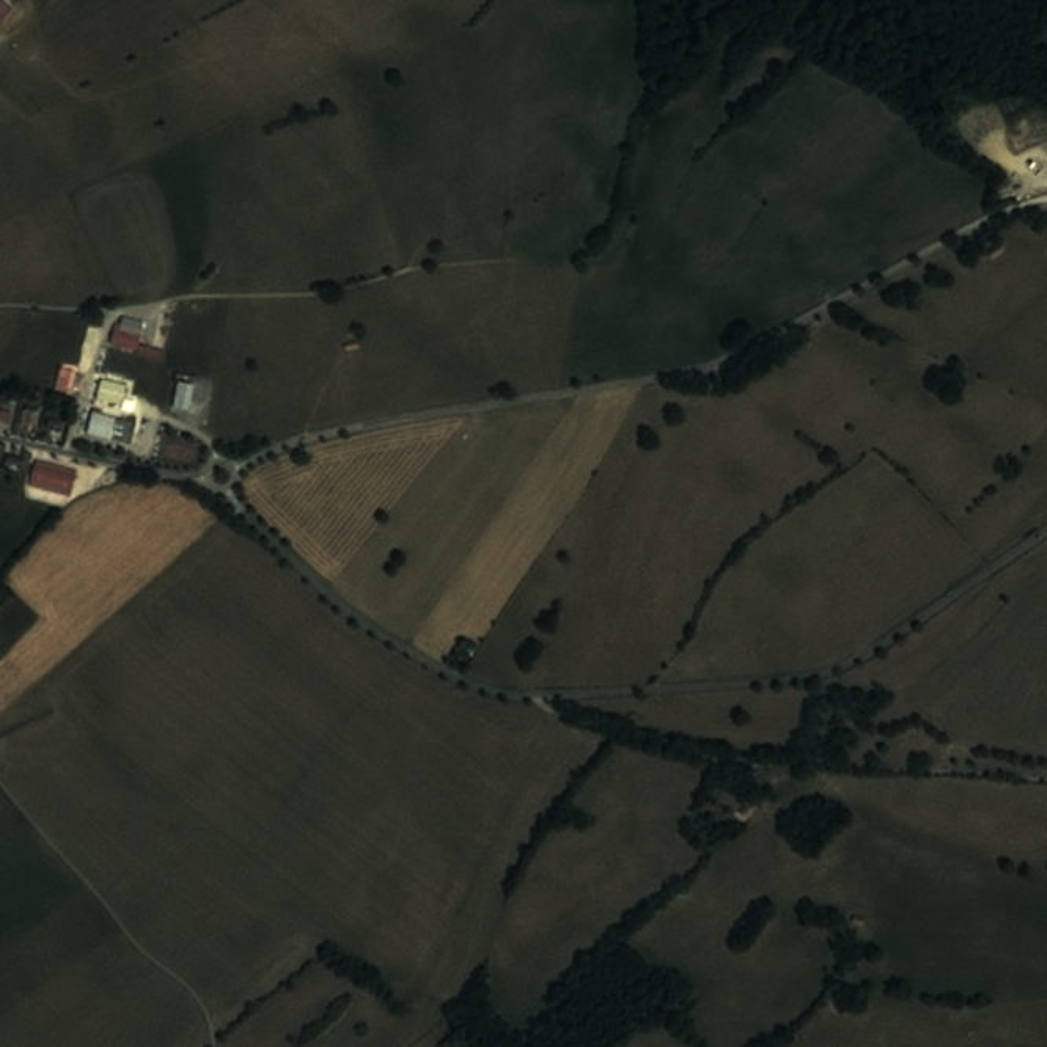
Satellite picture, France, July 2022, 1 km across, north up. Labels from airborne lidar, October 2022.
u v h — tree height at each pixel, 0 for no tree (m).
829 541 0
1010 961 0
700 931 0
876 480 0
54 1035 0
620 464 0
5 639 0
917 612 0
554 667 0
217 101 0
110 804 0
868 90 13
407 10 0
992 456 0
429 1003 0
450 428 0
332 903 0
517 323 0
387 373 0
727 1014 0
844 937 22
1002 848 0
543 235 0
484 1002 20
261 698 0
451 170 0
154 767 0
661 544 0
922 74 13
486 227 0
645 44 13
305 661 0
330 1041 0
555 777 0
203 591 0
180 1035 0
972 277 0
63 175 0
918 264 16
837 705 19
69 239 0
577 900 0
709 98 0
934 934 0
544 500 0
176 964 0
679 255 0
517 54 0
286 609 0
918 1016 0
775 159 0
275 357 0
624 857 0
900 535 0
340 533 0
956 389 21
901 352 0
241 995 0
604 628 0
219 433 0
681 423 8
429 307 0
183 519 0
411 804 0
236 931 0
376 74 0
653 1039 0
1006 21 15
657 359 0
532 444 0
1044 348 0
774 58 0
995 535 0
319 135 0
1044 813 0
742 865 0
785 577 0
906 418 0
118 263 0
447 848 0
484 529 0
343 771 0
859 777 14
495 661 0
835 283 0
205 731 0
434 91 0
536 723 0
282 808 0
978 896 0
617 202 8
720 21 27
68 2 0
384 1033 0
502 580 0
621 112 0
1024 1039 0
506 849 0
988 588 0
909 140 0
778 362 22
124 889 0
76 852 0
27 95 0
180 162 0
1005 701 0
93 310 17
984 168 17
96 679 0
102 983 0
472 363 0
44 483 0
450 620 0
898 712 0
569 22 0
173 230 0
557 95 0
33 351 0
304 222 0
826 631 0
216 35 0
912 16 32
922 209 0
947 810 0
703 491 0
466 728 0
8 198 0
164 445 0
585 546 0
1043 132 0
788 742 0
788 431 0
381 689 0
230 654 0
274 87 0
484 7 7
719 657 0
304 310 0
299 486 0
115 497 0
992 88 30
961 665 0
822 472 0
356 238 0
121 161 0
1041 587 0
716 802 12
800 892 0
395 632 0
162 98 0
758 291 0
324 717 0
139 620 0
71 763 0
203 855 0
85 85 5
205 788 0
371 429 0
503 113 0
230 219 0
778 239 0
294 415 0
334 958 13
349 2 0
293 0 0
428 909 0
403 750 0
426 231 0
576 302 0
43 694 0
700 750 15
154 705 0
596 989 20
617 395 0
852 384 0
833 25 20
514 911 0
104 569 0
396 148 0
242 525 11
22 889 0
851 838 0
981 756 10
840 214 0
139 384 0
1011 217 15
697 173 0
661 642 0
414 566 0
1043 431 0
